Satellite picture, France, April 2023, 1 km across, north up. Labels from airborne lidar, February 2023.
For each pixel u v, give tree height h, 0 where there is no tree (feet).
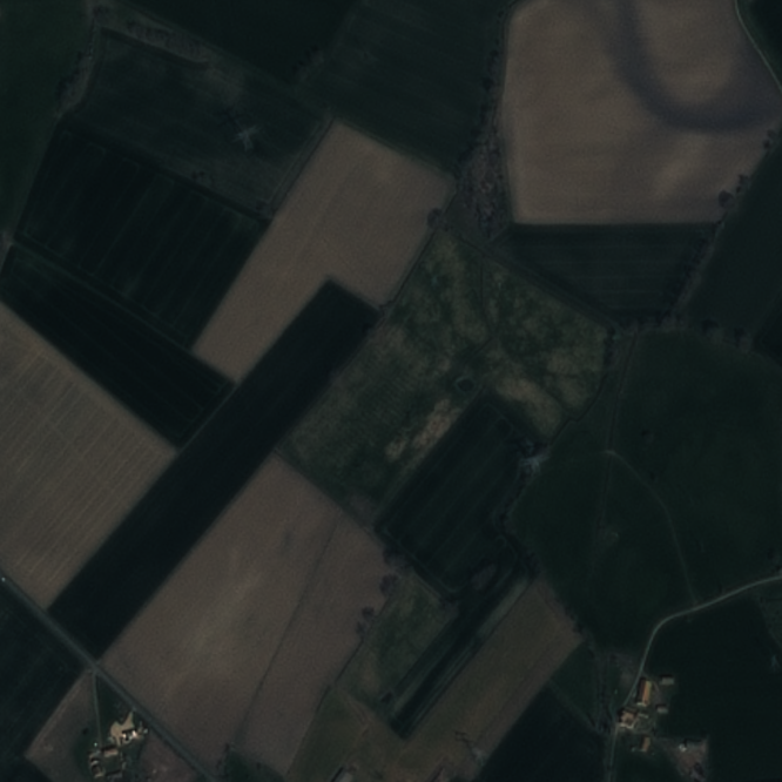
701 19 0
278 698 0
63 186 0
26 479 0
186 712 0
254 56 0
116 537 0
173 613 0
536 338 0
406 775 0
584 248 0
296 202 0
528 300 0
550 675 0
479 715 0
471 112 0
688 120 0
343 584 0
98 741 0
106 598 0
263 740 0
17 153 0
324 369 0
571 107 0
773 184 0
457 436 0
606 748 0
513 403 0
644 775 0
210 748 0
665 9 0
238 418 0
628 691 0
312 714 0
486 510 0
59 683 0
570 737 0
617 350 72
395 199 0
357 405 0
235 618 0
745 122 0
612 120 0
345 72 0
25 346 0
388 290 0
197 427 0
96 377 0
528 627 0
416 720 0
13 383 0
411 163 0
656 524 0
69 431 0
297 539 0
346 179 0
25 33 0
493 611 0
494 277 0
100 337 0
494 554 0
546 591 0
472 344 0
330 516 0
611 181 0
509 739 0
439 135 0
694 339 0
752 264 0
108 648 0
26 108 0
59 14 0
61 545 0
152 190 0
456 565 0
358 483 0
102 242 0
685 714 0
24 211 0
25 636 0
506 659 0
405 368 0
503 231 41
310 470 0
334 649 0
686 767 0
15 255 0
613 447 0
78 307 0
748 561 0
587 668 0
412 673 0
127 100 0
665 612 0
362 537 0
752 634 0
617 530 0
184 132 0
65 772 0
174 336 0
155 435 0
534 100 0
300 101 0
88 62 42
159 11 0
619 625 0
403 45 0
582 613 0
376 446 0
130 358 0
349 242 0
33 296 0
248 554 0
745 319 0
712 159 0
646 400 0
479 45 0
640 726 0
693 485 0
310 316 0
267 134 0
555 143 0
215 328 0
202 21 0
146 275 0
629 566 0
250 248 0
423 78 0
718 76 0
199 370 0
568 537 0
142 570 0
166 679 0
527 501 0
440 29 0
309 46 0
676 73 0
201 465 0
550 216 0
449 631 0
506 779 0
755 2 0
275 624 0
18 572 0
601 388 0
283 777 0
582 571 0
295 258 0
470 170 54
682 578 0
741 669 0
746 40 0
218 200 0
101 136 0
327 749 0
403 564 70
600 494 0
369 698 0
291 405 0
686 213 0
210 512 0
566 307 0
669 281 0
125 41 0
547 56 0
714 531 0
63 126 0
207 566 0
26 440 0
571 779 0
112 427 0
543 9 0
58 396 0
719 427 0
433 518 0
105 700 0
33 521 0
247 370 0
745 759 0
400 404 0
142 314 0
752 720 0
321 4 0
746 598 0
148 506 0
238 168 0
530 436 0
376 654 0
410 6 0
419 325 0
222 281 0
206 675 0
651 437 38
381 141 0
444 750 0
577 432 0
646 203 0
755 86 0
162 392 0
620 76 0
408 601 0
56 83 0
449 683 0
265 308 0
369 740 0
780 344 0
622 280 0
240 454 0
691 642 0
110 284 0
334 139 0
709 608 0
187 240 0
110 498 0
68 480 0
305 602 0
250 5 0
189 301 0
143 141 0
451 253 0
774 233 0
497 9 0
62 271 0
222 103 0
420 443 0
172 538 0
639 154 0
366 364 0
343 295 0
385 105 0
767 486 0
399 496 0
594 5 0
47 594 0
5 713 0
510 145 0
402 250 0
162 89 0
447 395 0
